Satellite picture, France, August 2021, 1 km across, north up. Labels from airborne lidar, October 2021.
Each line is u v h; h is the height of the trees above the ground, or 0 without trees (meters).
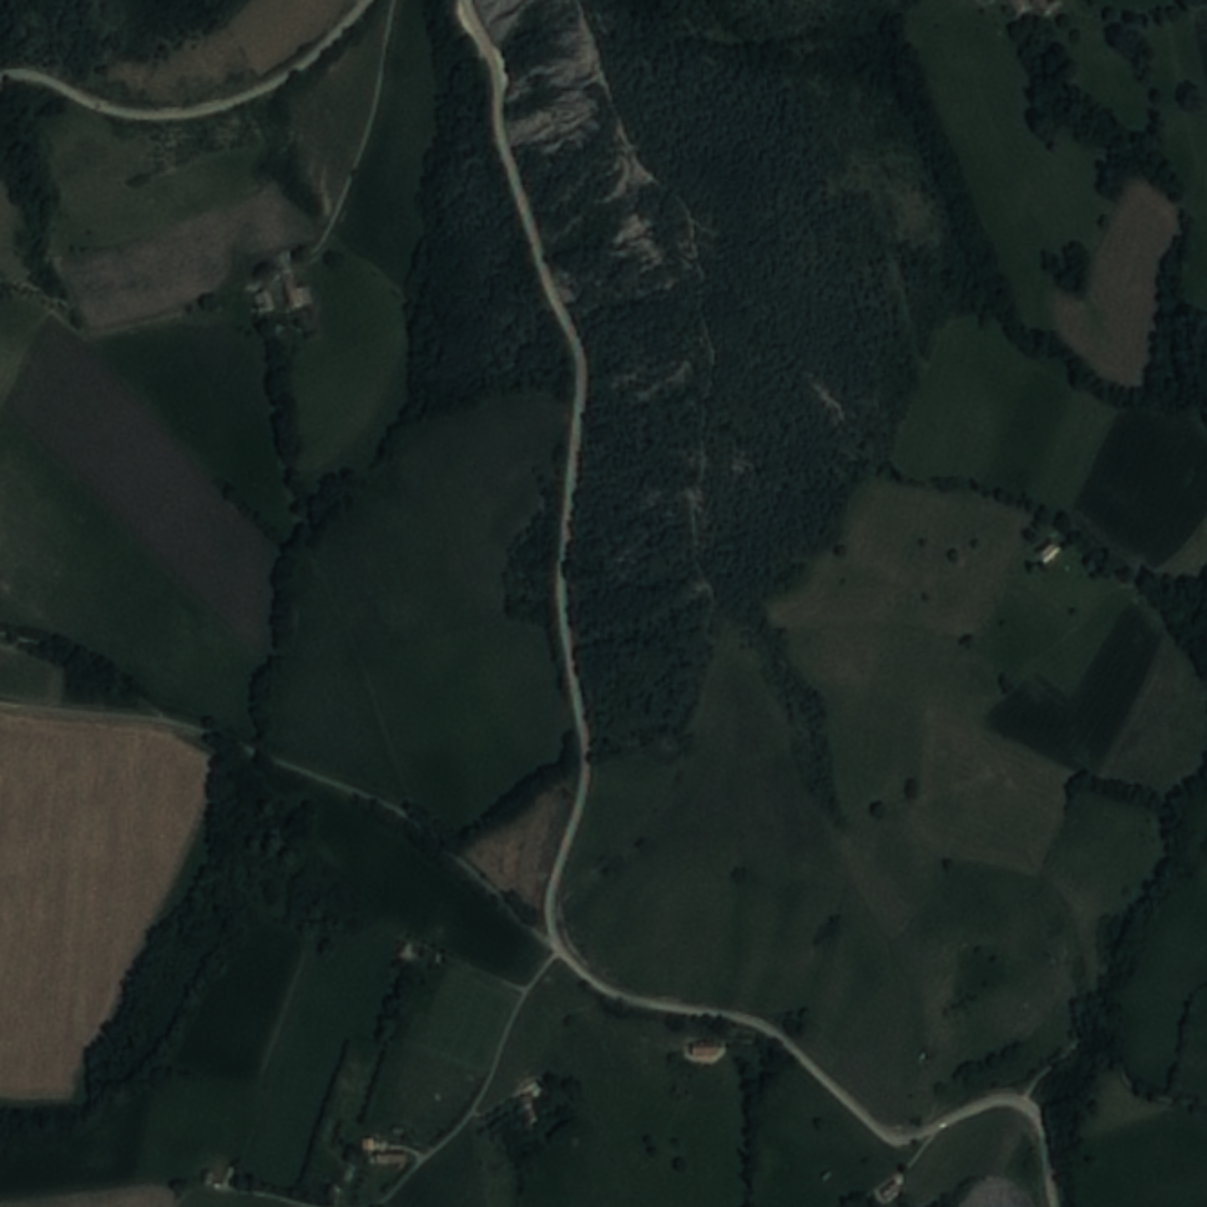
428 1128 0
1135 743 0
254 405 0
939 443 0
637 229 0
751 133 7
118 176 0
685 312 8
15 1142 10
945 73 0
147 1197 0
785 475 9
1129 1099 0
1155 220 0
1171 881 20
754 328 9
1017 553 0
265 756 13
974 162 0
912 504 0
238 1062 0
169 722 0
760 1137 9
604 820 0
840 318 7
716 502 7
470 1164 0
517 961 0
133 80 0
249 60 0
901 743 0
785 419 8
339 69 0
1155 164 7
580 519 8
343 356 0
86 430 0
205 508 0
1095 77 0
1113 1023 22
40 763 0
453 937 0
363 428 0
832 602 0
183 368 0
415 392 12
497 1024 0
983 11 6
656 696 7
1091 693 0
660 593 12
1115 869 0
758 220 10
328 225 0
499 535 0
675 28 7
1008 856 0
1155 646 0
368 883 0
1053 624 0
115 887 0
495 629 0
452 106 11
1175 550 0
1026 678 0
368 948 0
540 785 18
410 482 0
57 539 0
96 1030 0
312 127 0
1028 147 0
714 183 8
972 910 0
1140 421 0
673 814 0
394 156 0
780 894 0
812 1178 0
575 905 0
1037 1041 0
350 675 0
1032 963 0
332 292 0
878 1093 0
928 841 0
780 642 6
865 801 0
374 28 0
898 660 0
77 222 0
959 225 13
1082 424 0
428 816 17
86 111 0
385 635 0
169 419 0
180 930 7
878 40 6
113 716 0
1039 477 0
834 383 7
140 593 0
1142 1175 0
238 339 0
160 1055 18
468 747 0
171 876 0
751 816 0
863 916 0
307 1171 7
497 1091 0
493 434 0
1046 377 0
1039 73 10
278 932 0
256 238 0
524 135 0
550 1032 0
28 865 0
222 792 19
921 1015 0
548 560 10
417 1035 0
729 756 0
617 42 13
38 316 0
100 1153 0
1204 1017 0
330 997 0
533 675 0
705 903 0
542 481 7
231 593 0
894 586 0
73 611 0
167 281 0
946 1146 0
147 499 0
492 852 0
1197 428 0
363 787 0
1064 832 0
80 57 7
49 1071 0
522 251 9
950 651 0
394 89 0
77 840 0
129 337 0
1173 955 0
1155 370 12
